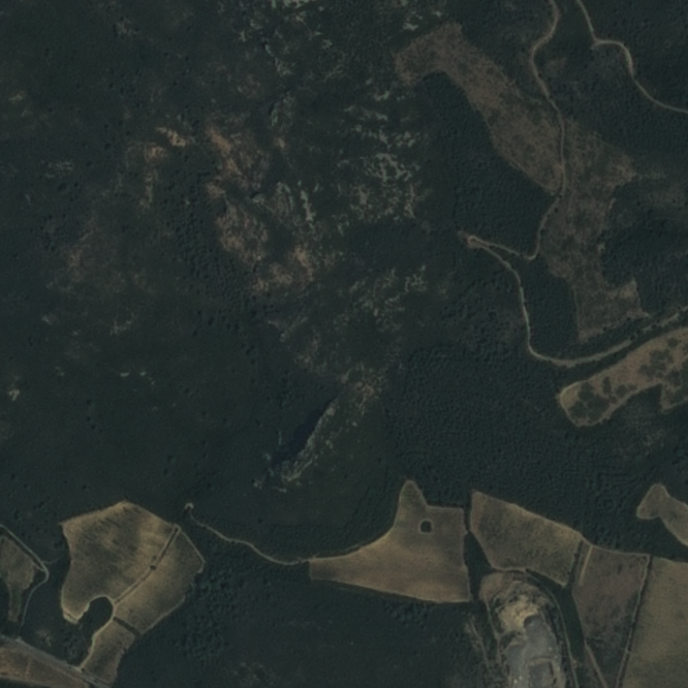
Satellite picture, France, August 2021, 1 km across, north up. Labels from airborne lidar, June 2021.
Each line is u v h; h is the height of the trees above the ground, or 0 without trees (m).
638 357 0
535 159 0
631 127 6
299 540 6
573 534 0
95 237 0
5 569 0
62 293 0
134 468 0
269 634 0
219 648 10
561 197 7
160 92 0
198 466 11
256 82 0
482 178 7
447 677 0
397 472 7
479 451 7
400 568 0
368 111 0
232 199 0
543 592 7
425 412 6
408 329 0
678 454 11
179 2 0
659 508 0
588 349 6
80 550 0
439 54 0
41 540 0
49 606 0
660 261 7
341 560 0
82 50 0
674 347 0
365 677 0
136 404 0
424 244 0
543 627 0
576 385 0
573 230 0
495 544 0
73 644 7
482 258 10
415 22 0
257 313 13
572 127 0
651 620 0
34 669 0
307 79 0
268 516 0
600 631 0
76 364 0
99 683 0
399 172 0
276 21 0
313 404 0
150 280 0
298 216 0
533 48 0
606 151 0
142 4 0
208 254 12
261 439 0
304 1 0
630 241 9
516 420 8
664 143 6
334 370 0
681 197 0
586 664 0
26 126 0
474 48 0
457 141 6
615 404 0
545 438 7
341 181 0
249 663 0
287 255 0
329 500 0
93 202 0
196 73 0
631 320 6
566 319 7
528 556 0
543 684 0
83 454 0
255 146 0
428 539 0
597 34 7
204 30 0
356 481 0
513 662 0
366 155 0
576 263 0
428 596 0
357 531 5
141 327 0
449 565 0
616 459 9
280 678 0
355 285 0
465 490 8
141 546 0
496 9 8
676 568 0
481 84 0
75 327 0
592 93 6
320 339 0
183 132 0
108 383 0
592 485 11
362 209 0
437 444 8
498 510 0
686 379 0
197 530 7
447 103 7
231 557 9
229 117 0
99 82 0
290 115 0
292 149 0
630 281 9
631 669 0
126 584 0
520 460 8
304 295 0
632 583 0
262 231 0
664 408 0
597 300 0
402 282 0
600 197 0
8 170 0
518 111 0
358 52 6
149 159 0
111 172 0
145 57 5
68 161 0
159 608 0
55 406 0
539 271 6
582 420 0
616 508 11
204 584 15
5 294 0
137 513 0
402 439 8
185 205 11
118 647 0
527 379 7
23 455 0
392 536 0
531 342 7
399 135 0
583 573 0
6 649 0
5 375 0
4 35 0
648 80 6
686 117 8
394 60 0
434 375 7
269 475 7
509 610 0
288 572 6
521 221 7
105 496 0
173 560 0
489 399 11
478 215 6
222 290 11
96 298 0
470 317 12
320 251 0
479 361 8
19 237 0
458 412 8
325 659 0
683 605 0
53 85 0
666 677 0
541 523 0
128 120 0
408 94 0
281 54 0
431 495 9
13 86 0
